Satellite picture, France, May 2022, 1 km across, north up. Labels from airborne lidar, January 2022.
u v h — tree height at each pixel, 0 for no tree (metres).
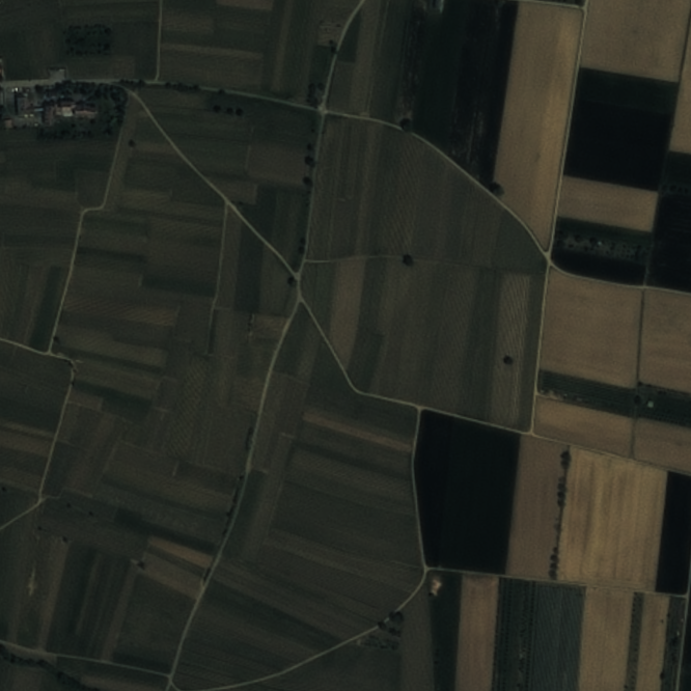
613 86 0
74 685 10
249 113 0
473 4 0
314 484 0
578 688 0
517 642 0
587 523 0
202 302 0
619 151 0
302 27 0
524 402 0
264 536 0
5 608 0
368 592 0
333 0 0
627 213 0
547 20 0
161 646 0
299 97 0
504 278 0
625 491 0
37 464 0
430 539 0
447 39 0
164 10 0
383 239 0
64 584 0
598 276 0
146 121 0
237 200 0
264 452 0
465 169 0
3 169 0
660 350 0
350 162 0
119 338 0
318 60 0
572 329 0
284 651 0
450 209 0
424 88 0
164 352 0
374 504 0
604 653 0
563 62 0
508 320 0
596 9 0
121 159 0
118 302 0
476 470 0
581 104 0
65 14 0
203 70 0
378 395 0
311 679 0
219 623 0
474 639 0
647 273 0
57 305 0
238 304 0
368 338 0
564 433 0
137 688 0
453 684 0
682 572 0
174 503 0
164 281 0
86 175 0
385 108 0
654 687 0
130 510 0
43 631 0
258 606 0
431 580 0
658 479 0
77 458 0
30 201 0
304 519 0
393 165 0
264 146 0
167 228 0
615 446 0
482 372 0
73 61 0
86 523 0
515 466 0
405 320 0
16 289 0
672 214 0
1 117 5
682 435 0
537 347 0
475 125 0
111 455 0
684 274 0
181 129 0
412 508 0
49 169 0
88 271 0
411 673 0
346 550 0
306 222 0
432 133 0
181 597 0
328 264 0
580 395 0
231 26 0
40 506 0
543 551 0
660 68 0
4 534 0
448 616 0
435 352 0
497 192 13
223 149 0
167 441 0
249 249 0
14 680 0
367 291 0
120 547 0
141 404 0
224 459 0
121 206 0
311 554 0
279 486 0
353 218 0
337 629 0
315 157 0
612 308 0
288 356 0
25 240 0
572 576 0
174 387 0
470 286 0
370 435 0
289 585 0
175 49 0
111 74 0
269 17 0
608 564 0
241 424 0
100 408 0
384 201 0
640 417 0
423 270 0
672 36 0
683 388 0
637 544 0
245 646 0
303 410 0
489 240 0
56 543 0
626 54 0
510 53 0
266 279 0
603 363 0
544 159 0
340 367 0
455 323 0
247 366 0
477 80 0
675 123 0
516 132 0
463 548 0
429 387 0
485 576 0
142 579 0
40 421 0
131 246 0
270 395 0
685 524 0
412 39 0
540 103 0
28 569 0
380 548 0
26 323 0
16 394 0
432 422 0
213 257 0
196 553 0
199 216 0
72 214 0
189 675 0
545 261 0
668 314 0
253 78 0
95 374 0
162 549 0
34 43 0
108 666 0
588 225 0
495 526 0
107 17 0
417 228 0
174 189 0
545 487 0
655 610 0
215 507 0
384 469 0
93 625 0
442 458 0
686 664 0
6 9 0
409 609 0
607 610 0
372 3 0
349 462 0
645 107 0
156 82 0
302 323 0
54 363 0
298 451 0
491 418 0
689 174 0
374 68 0
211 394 0
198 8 0
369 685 0
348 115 0
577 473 0
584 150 0
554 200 0
